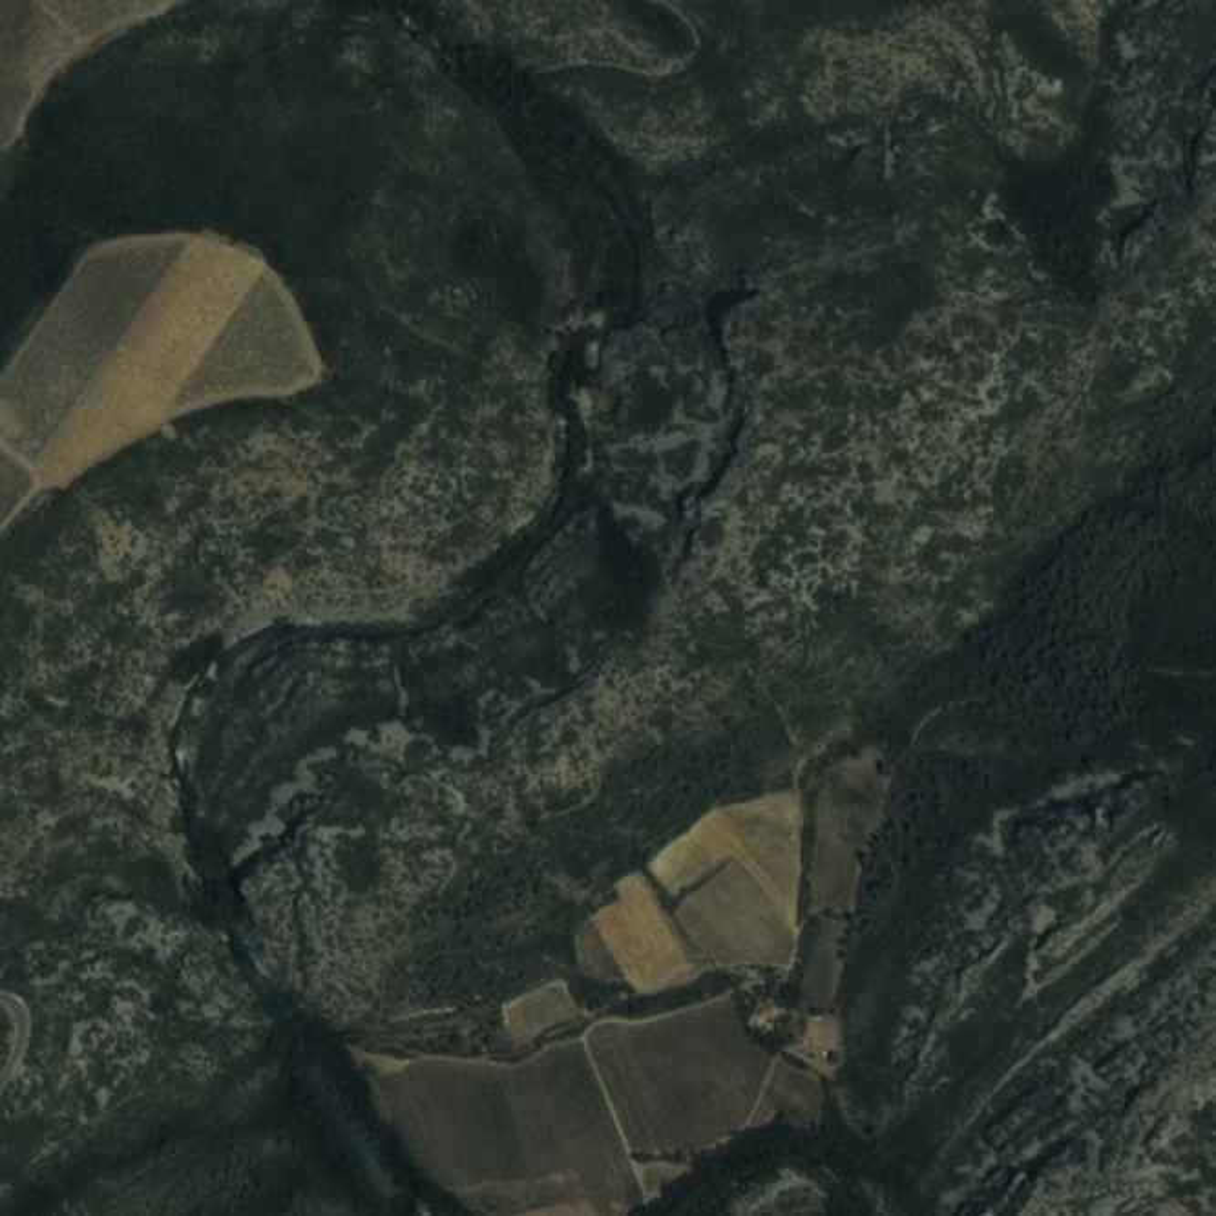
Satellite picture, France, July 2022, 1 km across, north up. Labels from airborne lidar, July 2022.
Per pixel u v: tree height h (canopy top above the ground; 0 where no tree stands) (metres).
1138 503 10
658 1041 0
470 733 7
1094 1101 0
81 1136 0
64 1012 0
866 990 0
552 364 11
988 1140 6
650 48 0
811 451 0
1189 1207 0
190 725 6
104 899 12
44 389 0
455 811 0
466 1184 0
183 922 7
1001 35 0
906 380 0
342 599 0
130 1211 0
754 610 0
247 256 0
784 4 0
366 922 0
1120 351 10
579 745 0
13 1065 0
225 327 0
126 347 0
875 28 0
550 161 9
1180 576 13
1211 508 13
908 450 0
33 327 0
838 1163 7
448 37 7
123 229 7
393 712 7
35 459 0
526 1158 0
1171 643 6
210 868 6
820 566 0
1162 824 0
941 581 0
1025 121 0
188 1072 8
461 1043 14
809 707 0
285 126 0
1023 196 6
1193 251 0
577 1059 0
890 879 12
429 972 10
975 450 0
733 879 0
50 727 0
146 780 0
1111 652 11
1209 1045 0
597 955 0
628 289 7
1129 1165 0
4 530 0
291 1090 8
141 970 8
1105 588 11
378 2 15
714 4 0
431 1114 0
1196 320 11
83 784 0
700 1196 11
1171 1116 0
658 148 7
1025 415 0
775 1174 6
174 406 0
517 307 6
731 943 0
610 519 7
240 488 0
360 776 0
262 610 0
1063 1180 0
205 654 6
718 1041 0
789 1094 0
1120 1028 0
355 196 6
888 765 15
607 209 6
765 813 0
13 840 0
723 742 7
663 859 0
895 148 9
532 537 7
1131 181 0
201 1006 0
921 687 7
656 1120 0
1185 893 0
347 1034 12
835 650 0
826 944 0
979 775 6
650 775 10
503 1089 0
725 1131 0
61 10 0
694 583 0
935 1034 6
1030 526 8
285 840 12
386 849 0
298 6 7
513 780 0
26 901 0
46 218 5
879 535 0
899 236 0
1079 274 8
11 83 0
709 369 0
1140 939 0
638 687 0
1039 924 0
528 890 15
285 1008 7
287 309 0
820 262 0
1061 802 7
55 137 6
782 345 0
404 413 0
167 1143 15
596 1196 0
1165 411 10
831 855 0
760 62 0
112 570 0
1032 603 13
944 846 7
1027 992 0
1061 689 10
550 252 0
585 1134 0
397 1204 9
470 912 12
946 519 0
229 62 5
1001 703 10
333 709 0
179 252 0
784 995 11
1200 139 7
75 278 0
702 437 0
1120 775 0
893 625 0
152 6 0
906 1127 6
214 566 6
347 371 7
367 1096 10
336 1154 6
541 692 0
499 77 19
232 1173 11
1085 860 0
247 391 0
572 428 13
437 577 0
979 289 0
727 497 0
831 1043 0
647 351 0
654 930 0
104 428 0
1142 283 0
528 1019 0
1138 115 0
